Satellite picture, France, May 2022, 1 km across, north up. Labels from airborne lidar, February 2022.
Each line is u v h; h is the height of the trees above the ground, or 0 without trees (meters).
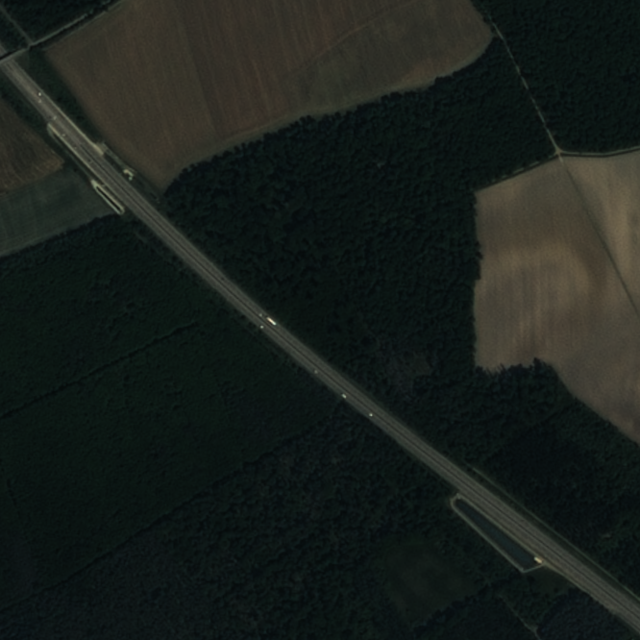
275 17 0
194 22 0
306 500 23
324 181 28
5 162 0
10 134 0
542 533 0
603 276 0
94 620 26
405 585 0
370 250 22
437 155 26
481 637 15
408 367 11
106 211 0
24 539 12
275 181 24
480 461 15
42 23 14
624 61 22
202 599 21
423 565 0
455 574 0
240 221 27
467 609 15
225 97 0
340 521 25
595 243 0
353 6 0
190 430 14
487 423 27
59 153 0
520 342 0
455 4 0
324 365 0
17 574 15
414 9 0
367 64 0
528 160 18
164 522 21
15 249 0
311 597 27
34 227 0
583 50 23
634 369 0
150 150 0
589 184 0
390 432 0
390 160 26
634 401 0
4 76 0
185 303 13
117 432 12
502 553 0
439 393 29
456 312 20
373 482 23
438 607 0
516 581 26
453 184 22
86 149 0
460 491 0
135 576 26
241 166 25
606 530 17
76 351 14
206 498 24
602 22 24
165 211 0
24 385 11
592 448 12
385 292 22
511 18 10
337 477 28
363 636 6
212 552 30
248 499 29
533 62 22
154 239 9
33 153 0
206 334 11
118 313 11
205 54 0
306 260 28
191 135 0
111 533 12
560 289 0
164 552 23
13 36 7
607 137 23
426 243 21
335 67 0
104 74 0
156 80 0
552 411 19
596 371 0
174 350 12
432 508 16
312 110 0
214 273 0
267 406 12
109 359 9
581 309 0
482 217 0
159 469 15
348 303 24
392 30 0
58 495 16
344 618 19
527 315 0
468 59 0
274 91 0
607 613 18
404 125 24
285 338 0
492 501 0
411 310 18
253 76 0
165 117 0
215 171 25
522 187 0
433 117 19
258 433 13
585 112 25
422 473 22
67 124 0
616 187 0
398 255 27
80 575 16
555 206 0
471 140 24
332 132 26
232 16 0
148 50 0
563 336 0
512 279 0
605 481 7
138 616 23
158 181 0
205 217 23
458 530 14
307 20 0
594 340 0
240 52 0
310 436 24
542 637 20
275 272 30
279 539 26
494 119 21
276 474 15
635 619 0
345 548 22
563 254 0
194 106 0
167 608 24
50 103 0
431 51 0
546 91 20
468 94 20
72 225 0
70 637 24
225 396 11
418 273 23
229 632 18
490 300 0
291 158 25
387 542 15
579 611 26
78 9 19
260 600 26
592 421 7
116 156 0
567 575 0
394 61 0
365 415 0
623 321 0
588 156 0
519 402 29
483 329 0
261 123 0
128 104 0
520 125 21
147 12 0
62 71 0
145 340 12
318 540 22
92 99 0
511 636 18
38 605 16
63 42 0
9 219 0
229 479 23
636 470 6
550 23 27
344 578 22
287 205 31
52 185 0
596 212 0
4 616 16
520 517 0
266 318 0
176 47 0
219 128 0
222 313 11
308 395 15
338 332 27
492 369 0
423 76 0
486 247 0
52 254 11
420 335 23
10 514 13
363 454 25
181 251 0
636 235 0
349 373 14
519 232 0
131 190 0
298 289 24
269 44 0
